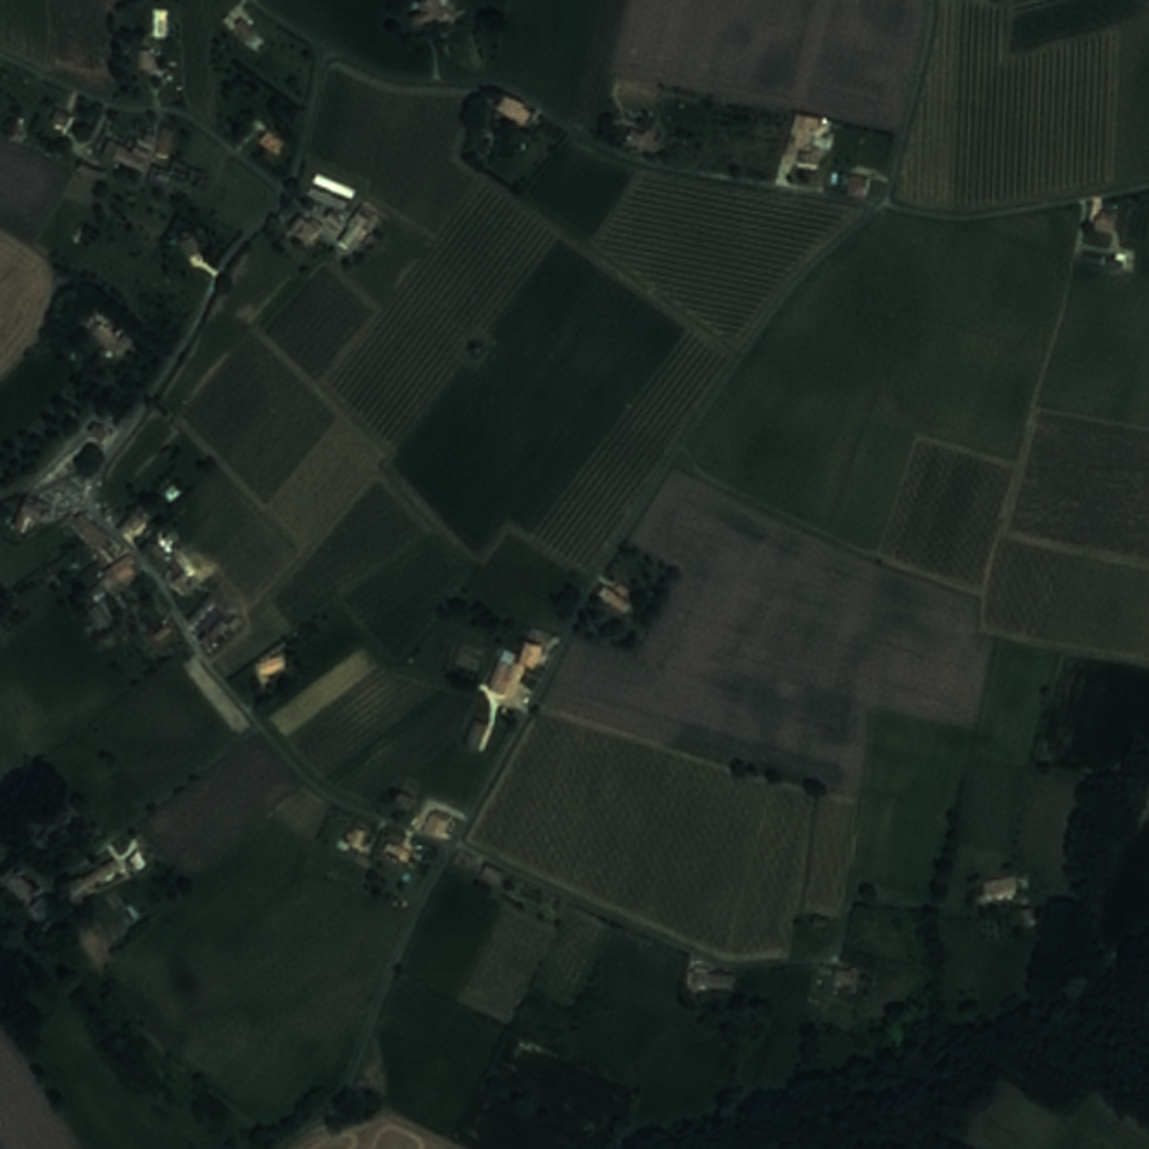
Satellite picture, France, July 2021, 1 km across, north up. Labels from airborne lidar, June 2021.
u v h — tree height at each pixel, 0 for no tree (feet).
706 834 0
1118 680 0
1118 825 73
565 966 0
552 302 0
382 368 0
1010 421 0
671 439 0
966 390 0
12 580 0
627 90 0
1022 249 0
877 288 0
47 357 0
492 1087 49
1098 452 0
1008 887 0
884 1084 77
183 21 0
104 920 0
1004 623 0
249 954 0
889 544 0
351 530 0
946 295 0
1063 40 0
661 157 33
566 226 0
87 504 0
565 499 0
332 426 0
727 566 0
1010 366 0
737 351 0
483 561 0
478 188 0
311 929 0
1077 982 110
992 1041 87
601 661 0
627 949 0
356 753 0
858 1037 28
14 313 0
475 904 0
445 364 0
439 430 0
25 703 0
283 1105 0
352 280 0
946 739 0
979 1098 106
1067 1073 78
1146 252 0
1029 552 0
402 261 0
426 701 0
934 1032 47
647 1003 0
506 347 0
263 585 0
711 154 0
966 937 0
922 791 0
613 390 0
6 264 0
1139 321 0
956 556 0
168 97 0
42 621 0
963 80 0
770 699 0
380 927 0
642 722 0
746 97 0
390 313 0
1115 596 0
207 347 0
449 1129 0
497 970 0
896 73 0
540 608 0
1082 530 0
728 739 0
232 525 0
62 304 44
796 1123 91
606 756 0
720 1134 73
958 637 0
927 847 0
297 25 0
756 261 0
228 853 0
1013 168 0
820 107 0
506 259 0
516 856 0
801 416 0
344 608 0
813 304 0
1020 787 0
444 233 0
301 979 0
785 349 0
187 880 37
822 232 0
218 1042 0
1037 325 0
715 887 0
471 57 0
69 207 0
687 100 0
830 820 0
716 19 0
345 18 0
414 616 0
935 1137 74
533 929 0
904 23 0
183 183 0
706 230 0
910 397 0
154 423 0
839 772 0
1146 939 43
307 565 0
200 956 0
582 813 0
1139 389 0
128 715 0
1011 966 0
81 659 0
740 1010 85
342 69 0
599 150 0
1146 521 0
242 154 0
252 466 0
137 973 0
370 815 0
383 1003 0
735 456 0
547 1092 0
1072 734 0
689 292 0
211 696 0
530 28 0
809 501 0
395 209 0
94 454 39
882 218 0
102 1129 0
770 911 0
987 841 0
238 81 35
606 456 0
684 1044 0
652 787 0
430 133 0
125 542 0
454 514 0
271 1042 0
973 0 0
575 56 0
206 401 0
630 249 0
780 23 0
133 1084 19
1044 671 0
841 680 0
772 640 0
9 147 0
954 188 0
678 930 0
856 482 0
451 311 0
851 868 0
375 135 0
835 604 0
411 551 0
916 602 0
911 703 0
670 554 0
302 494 0
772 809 0
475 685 30
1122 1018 72
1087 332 0
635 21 0
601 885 0
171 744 0
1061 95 0
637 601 49
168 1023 0
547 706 0
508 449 0
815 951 0
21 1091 0
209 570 0
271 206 0
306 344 0
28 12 0
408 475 0
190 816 0
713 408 0
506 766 0
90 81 0
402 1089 0
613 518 0
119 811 0
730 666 0
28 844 57
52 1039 0
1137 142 0
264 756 0
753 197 0
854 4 0
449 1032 0
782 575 0
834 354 0
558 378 0
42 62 0
